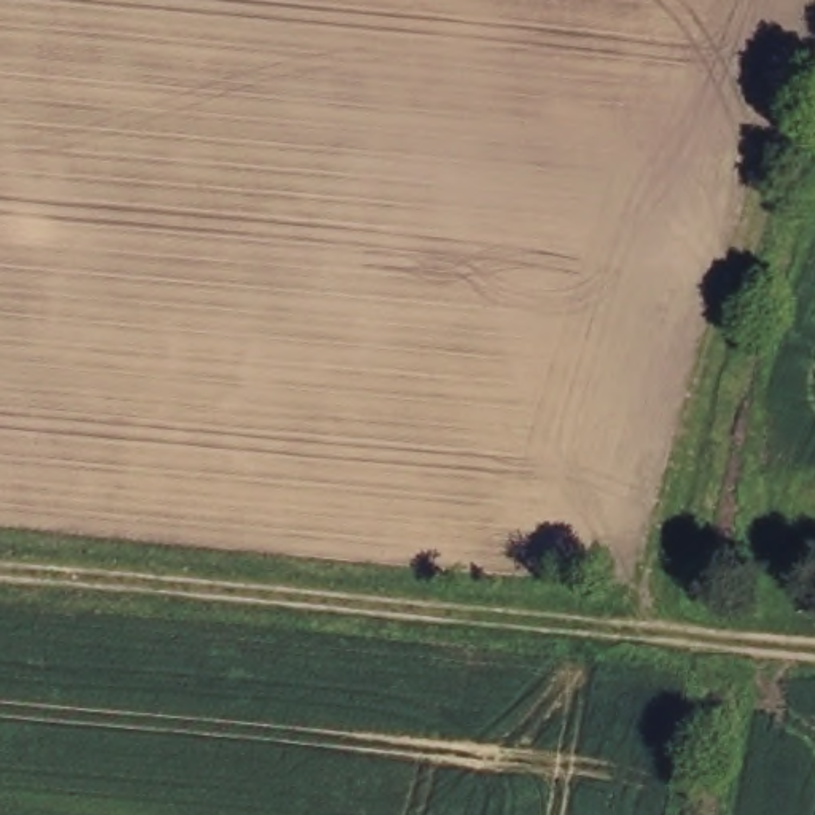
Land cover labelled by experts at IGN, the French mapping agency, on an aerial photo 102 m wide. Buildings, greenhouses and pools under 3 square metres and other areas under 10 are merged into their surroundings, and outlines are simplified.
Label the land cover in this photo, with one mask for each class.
<instances>
[{"label":"agricultural land","instance_id":"1","mask_svg":"<svg viewBox=\"0 0 815 815\"><path fill-rule=\"evenodd\" d=\"M815 32V0H0V525L229 551H267L293 557L369 560L392 567L411 563L417 576H436L443 567H471V576L519 573L535 579L548 554L576 563L586 557L583 544H602L614 557V583H621L634 573L637 557L646 554V541L659 532L653 513L659 503V484L669 465L672 443L678 436V411L691 398L688 372L694 366V350L704 328H713L723 322L726 299L735 296L755 277L761 258L751 252L758 248L764 232V213L755 185L767 175L764 153L767 146L790 143V137L780 131V111L774 108V99L786 86V80H796V41ZM691 716L678 675L659 672L653 665H579L548 653L487 649L449 640H395L366 634H322L302 627L213 624L172 614H115L35 602H0V815H700V809L688 799V780L672 764V735ZM786 713L774 716L755 707L748 726L732 815H815V659L796 662L780 688Z\"/></svg>","mask_w":815,"mask_h":815},{"label":"herbaceous vegetation","instance_id":"2","mask_svg":"<svg viewBox=\"0 0 815 815\"><path fill-rule=\"evenodd\" d=\"M761 258L770 271L767 290H793L796 299L815 290V166L793 181V194L777 213H764V232L758 248L751 252ZM777 353L739 357L735 350H726L713 328H704L694 350V366L688 372L691 398L678 411V436L672 443L669 465L659 484V503L653 513L659 532L646 541V554L637 557L634 573L621 583L627 592H637L634 618H665L704 627L815 637V614L799 611L777 586V579L799 563L802 554L815 557V478L796 468H761V455L767 452L770 439L764 392ZM748 532L758 560L767 567L755 589L758 605L739 614H716L704 602L691 599L688 589L707 576L713 551L729 548L735 538H745ZM0 557L290 583L379 595H417L443 602L554 608L557 602L535 579L519 573L471 576V567H443L436 576H417L411 563L392 567L369 560L293 557L267 551H229L0 525ZM0 602H35L115 614H172L213 624L302 627L322 634H366L395 640H449L487 649L548 653L579 665H653L659 672L678 675L691 716L716 713L719 719L735 716L748 726L755 707L774 716L786 713L780 688L796 662L704 653L681 646L490 630L465 624L388 621L337 611H296L271 605L197 602L140 592H92L0 583Z\"/></svg>","mask_w":815,"mask_h":815},{"label":"deciduous trees","instance_id":"3","mask_svg":"<svg viewBox=\"0 0 815 815\"><path fill-rule=\"evenodd\" d=\"M796 80H786V86L774 99V108L780 111V131L790 137V143L767 146L764 153L767 175L755 185L764 213H777L793 194V181L815 166V32L796 41ZM770 271L761 258L755 277L735 296L726 299L723 322L713 328L726 350H735L739 357L777 353L783 334L793 328L796 299L793 290H767ZM586 557L576 563L548 554L535 579L557 602L554 608L579 614L634 618L637 592H627L621 583H614V557L602 544H583ZM748 726L735 716L719 719L716 713L691 716L672 735V764L688 780V799L700 809V815H732Z\"/></svg>","mask_w":815,"mask_h":815},{"label":"pervious surface","instance_id":"4","mask_svg":"<svg viewBox=\"0 0 815 815\"><path fill-rule=\"evenodd\" d=\"M0 583L92 592H140L197 602L271 605L296 611H337L388 621L465 624L490 630L681 646L704 653L796 662L815 659V637L704 627L665 618H634L579 614L554 608L443 602L417 595H379L290 583L0 557Z\"/></svg>","mask_w":815,"mask_h":815},{"label":"coniferous trees","instance_id":"5","mask_svg":"<svg viewBox=\"0 0 815 815\"><path fill-rule=\"evenodd\" d=\"M770 439L767 452L761 455V468H796L815 478V290L796 299L793 328L783 334L777 353L764 392ZM767 567L758 560L748 532L745 538H735L729 548L713 551L707 576L688 589L691 599L704 602L716 614H739L758 605L755 589ZM777 586L799 611L815 614V557L802 554L799 563L777 579Z\"/></svg>","mask_w":815,"mask_h":815}]
</instances>
